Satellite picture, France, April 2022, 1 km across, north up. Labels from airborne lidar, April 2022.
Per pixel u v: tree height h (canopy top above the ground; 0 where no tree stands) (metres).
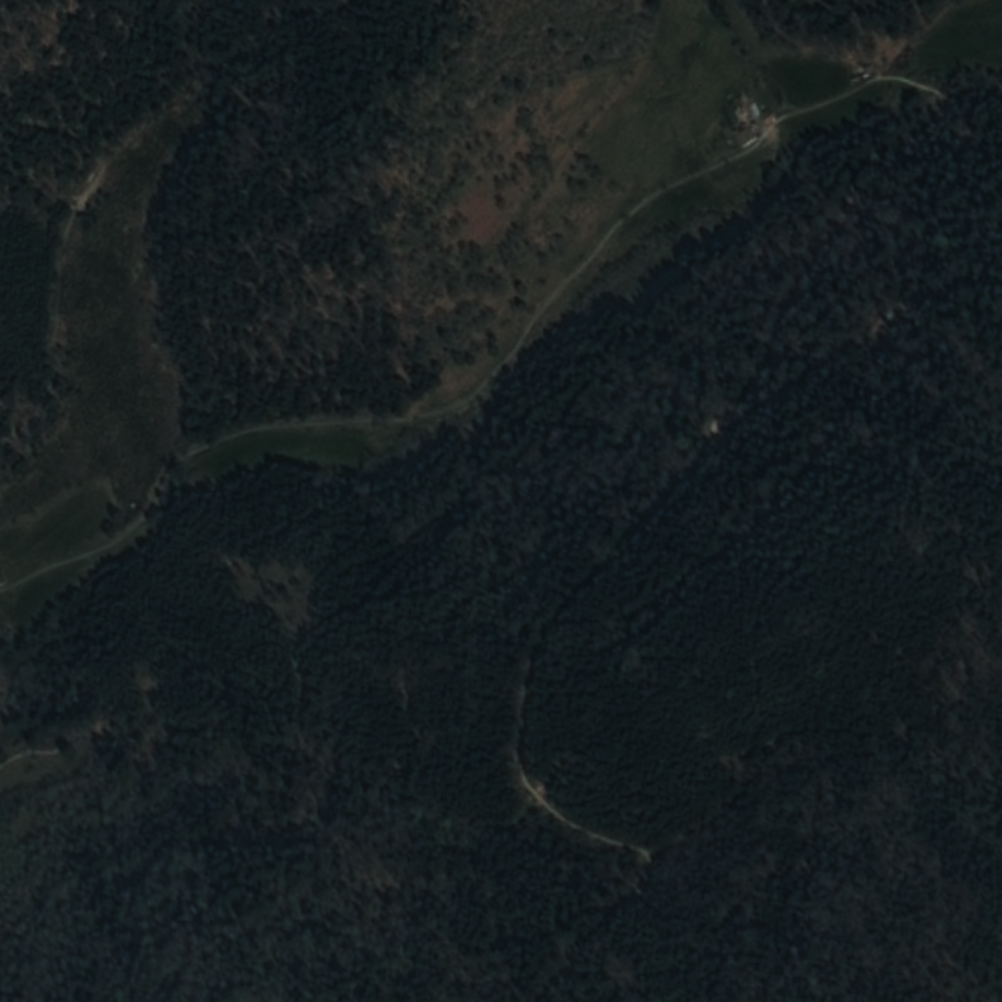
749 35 0
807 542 26
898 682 20
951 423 25
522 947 8
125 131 24
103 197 11
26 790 10
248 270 23
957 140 12
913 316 20
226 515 21
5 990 20
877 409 27
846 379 18
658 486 20
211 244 25
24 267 15
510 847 23
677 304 28
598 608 24
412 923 24
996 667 19
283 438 0
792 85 0
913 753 18
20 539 0
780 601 18
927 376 25
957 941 20
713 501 31
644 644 17
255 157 19
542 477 24
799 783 25
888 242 26
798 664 16
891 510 20
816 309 27
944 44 0
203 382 22
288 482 24
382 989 26
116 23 19
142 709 19
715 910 19
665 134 0
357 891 23
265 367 20
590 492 27
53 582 0
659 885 20
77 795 10
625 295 0
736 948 14
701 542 26
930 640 18
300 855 27
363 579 18
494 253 0
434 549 10
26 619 0
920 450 21
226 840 13
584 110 0
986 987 14
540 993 26
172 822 20
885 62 0
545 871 20
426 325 20
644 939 24
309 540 24
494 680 13
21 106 24
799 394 18
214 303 12
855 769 17
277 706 29
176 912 15
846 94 0
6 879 12
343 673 18
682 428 16
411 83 12
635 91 0
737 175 0
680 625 25
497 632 8
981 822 13
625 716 11
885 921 21
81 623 25
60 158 21
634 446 16
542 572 9
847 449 22
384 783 18
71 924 24
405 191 15
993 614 18
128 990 21
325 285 23
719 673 18
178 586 30
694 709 10
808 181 18
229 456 0
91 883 25
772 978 18
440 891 24
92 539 0
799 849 12
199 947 31
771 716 10
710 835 17
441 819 21
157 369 10
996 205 10
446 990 31
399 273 23
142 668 27
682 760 15
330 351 18
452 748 15
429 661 15
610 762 15
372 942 25
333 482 18
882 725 18
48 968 26
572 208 10
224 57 25
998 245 27
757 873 18
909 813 20
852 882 23
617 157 0
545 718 19
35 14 24
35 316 15
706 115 0
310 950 29
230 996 17
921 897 18
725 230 0
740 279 22
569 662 18
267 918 34
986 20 0
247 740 19
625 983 17
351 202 12
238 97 17
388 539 18
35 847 13
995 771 24
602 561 26
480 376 0
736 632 22
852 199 15
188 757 25
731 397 27
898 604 20
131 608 32
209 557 21
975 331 20
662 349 26
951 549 19
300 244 19
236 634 20
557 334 22
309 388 21
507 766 18
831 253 30
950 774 17
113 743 19
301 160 22
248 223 21
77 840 22
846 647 16
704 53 0
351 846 24
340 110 25
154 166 7
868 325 22
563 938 15
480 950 30
